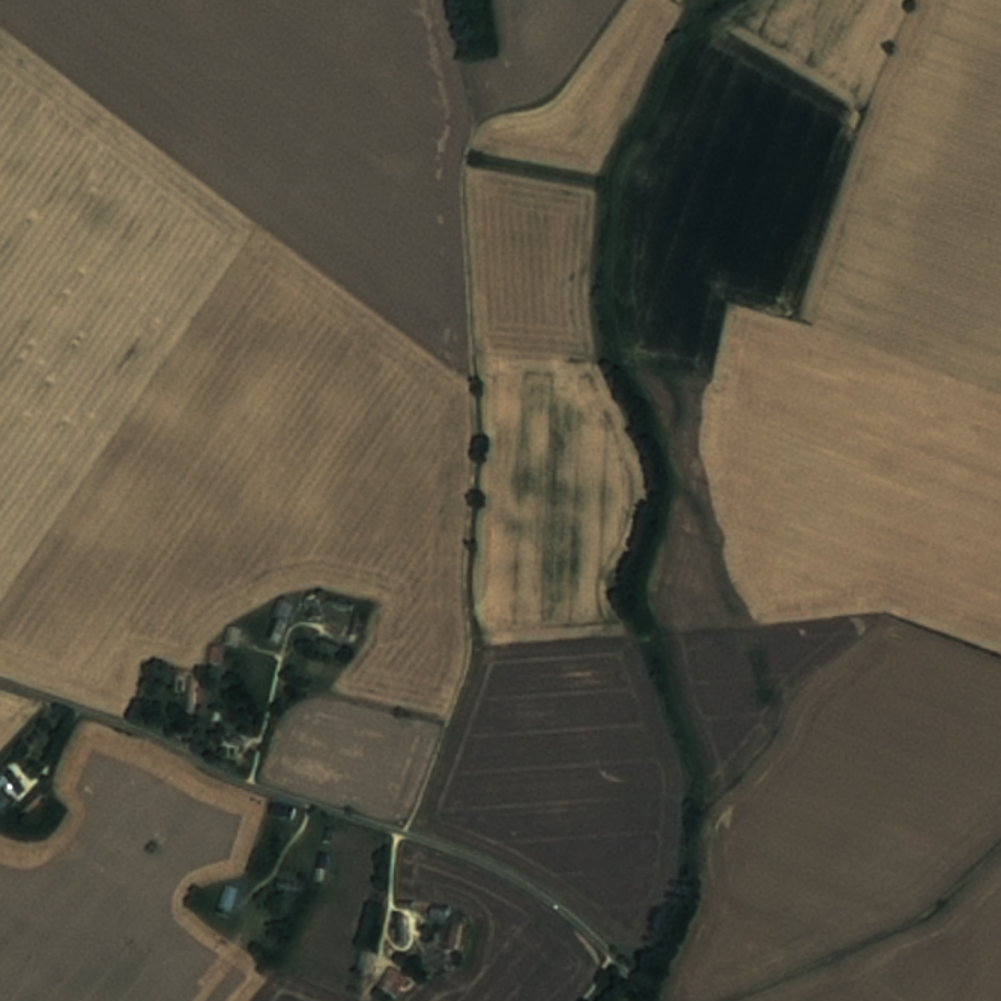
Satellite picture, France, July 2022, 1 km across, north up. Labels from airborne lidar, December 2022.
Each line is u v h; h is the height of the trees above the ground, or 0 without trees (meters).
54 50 0
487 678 0
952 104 0
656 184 0
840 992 0
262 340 0
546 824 0
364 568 0
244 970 0
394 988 0
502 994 0
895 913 0
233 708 9
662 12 0
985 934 0
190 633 0
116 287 0
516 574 0
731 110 0
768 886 0
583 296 0
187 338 0
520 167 0
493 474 0
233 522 0
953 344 0
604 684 0
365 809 0
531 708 0
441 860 0
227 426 0
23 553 0
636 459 0
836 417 0
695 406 0
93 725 0
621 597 23
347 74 0
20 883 0
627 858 0
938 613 0
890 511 0
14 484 0
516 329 0
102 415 0
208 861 0
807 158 0
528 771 0
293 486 0
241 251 0
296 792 0
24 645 0
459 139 0
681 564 0
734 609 0
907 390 0
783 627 0
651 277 0
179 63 0
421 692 0
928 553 0
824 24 0
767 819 0
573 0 0
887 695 0
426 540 0
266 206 0
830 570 0
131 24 0
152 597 0
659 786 0
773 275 0
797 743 0
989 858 0
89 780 0
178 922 0
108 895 0
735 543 0
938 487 0
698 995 0
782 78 0
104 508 0
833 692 0
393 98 0
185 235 0
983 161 0
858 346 0
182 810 0
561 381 0
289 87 0
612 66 0
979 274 0
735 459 0
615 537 0
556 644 0
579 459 0
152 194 0
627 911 0
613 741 0
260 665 0
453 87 0
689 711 0
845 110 0
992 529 0
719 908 0
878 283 0
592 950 0
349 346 0
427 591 0
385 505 0
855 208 0
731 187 0
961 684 0
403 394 0
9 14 0
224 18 0
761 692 0
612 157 0
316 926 0
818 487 0
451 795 0
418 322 0
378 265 0
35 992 0
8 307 0
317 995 0
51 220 0
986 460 0
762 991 0
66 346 0
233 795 0
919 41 0
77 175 0
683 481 0
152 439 0
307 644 11
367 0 0
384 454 0
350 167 0
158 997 0
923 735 0
